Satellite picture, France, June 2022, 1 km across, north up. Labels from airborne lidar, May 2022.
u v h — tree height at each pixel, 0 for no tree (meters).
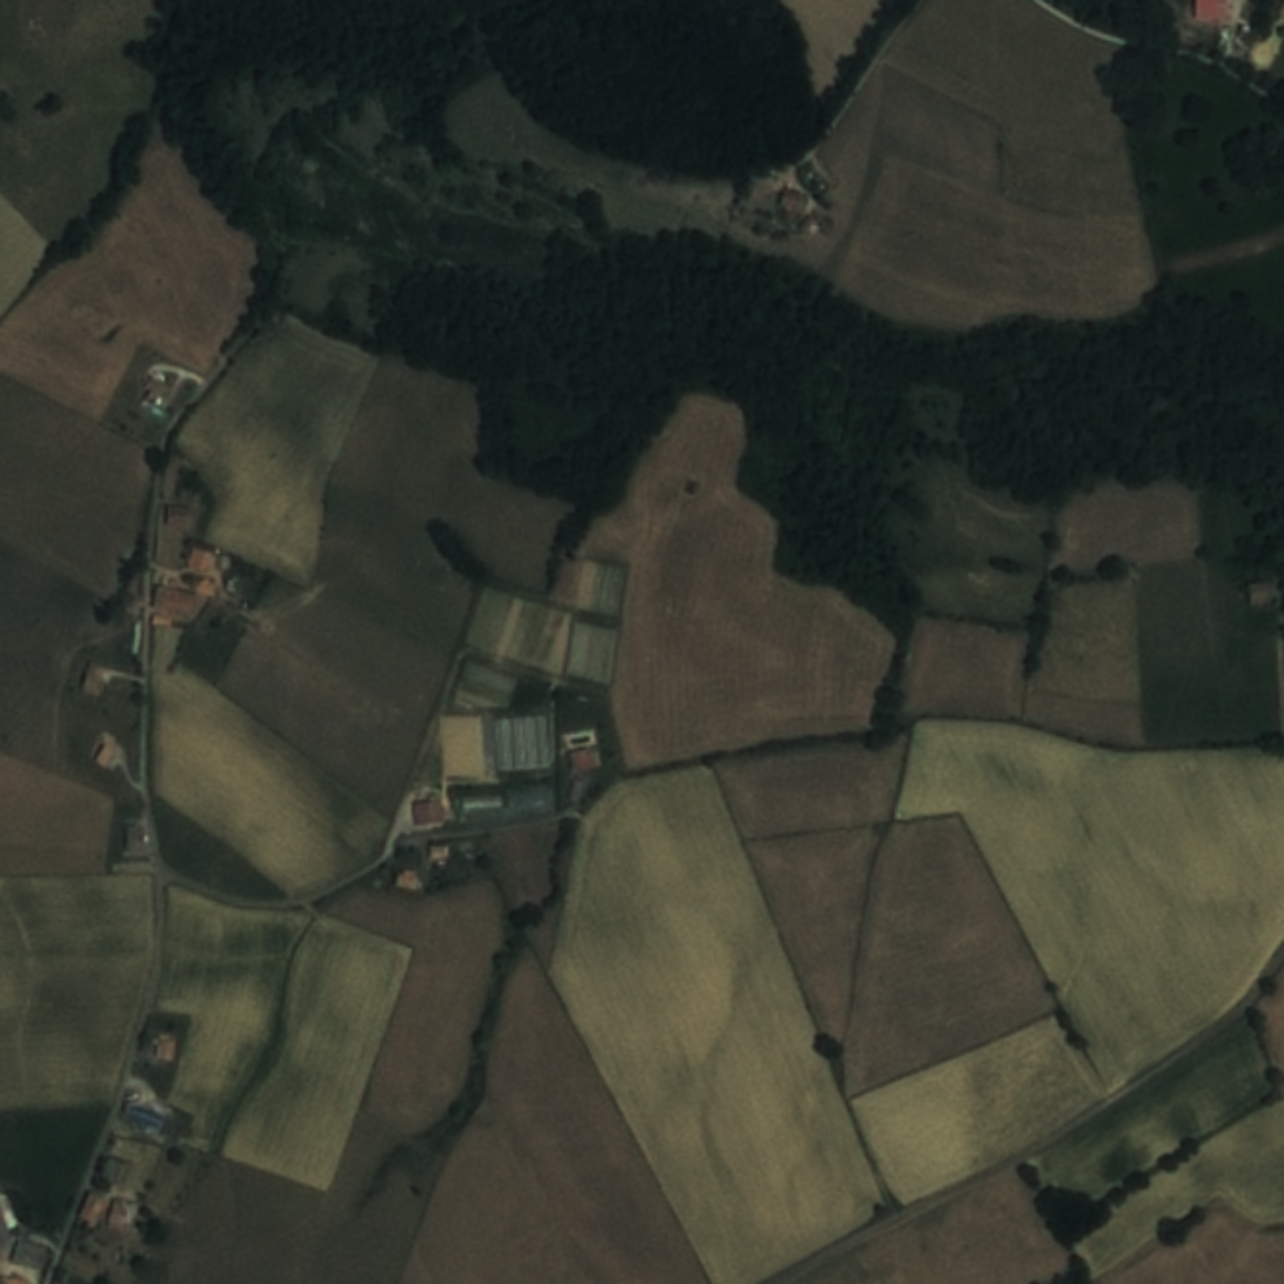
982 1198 0
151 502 0
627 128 19
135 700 8
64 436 0
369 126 0
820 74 0
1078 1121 0
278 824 0
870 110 0
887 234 0
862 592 11
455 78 21
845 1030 0
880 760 0
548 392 14
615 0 21
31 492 0
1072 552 0
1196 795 0
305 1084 0
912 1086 0
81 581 0
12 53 0
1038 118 0
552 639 0
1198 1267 0
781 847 0
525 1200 0
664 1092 0
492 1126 0
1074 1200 13
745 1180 0
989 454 12
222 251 0
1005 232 0
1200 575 0
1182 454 22
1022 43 0
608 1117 0
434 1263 0
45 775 0
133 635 0
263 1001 0
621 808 0
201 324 0
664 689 0
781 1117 0
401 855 10
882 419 10
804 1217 0
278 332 0
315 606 0
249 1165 0
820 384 9
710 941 0
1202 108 19
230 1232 0
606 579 0
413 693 0
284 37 21
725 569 0
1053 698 0
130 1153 0
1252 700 0
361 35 15
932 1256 0
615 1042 0
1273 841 0
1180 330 20
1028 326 14
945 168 0
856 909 0
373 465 0
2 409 0
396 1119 0
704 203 0
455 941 0
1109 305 0
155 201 0
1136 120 20
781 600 0
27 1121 0
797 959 0
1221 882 0
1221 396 16
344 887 0
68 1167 0
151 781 0
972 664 0
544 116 17
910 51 0
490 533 0
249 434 0
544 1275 0
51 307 0
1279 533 19
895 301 0
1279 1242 0
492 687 0
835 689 0
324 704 0
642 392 15
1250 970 0
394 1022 0
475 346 21
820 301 14
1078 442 14
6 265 0
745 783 0
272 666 0
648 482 0
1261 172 21
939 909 0
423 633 0
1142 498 0
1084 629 0
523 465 14
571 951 0
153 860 0
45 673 0
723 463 0
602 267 14
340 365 0
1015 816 0
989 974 0
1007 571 14
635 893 0
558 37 27
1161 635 0
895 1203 0
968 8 0
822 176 0
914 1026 0
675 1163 0
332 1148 0
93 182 0
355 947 0
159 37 10
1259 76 11
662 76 20
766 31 22
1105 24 17
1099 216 0
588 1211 0
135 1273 8
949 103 0
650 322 21
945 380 10
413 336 20
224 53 26
